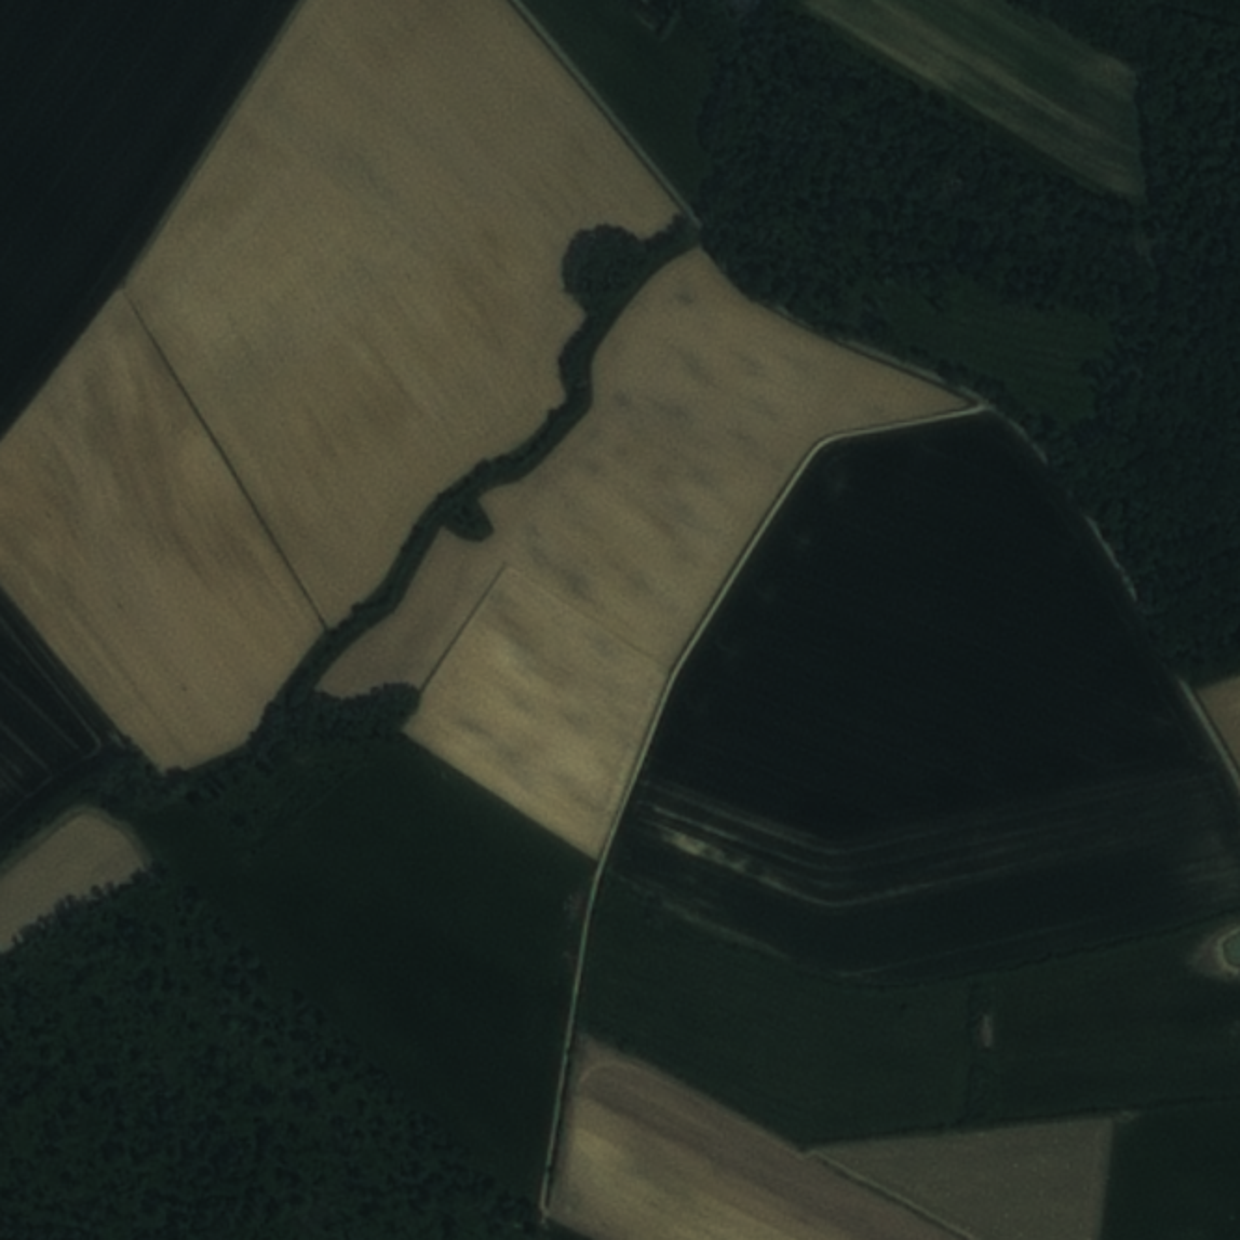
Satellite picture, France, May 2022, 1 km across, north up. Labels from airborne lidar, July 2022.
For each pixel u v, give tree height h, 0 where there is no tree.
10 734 0
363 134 0
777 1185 0
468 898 0
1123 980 0
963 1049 0
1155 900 0
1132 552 15
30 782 0
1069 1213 0
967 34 0
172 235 0
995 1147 0
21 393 0
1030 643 0
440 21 0
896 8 0
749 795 0
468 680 0
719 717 0
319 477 0
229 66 0
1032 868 0
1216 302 28
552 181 0
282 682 0
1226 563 29
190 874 0
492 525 0
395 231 0
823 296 24
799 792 0
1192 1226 0
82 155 0
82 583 0
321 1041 14
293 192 0
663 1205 0
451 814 0
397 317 0
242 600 0
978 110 0
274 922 0
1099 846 0
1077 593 0
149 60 0
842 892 0
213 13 0
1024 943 0
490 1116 0
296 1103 20
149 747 0
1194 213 13
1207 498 29
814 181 15
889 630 0
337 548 0
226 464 0
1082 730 0
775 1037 0
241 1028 24
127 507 0
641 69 0
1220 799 0
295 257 0
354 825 0
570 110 0
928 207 27
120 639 0
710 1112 0
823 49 16
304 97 0
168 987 17
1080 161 0
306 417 0
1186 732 0
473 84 0
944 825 0
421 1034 0
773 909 0
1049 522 0
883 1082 0
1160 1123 0
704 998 0
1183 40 25
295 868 0
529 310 0
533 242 0
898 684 0
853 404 0
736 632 0
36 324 0
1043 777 0
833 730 0
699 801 0
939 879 0
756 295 20
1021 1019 0
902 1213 0
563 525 0
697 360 0
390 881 0
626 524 0
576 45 0
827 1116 0
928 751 0
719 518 0
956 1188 0
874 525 0
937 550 0
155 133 0
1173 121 22
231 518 0
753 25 14
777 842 0
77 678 0
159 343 0
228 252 0
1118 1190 0
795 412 0
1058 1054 0
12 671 0
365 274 0
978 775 0
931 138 26
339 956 0
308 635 0
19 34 0
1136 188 0
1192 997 0
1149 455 30
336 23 0
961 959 0
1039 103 0
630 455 0
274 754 25
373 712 19
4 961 22
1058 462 19
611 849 0
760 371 0
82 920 22
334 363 0
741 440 0
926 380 0
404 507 0
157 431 0
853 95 28
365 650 0
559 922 0
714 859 0
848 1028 0
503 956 0
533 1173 0
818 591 0
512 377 0
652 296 0
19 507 0
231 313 0
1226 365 26
